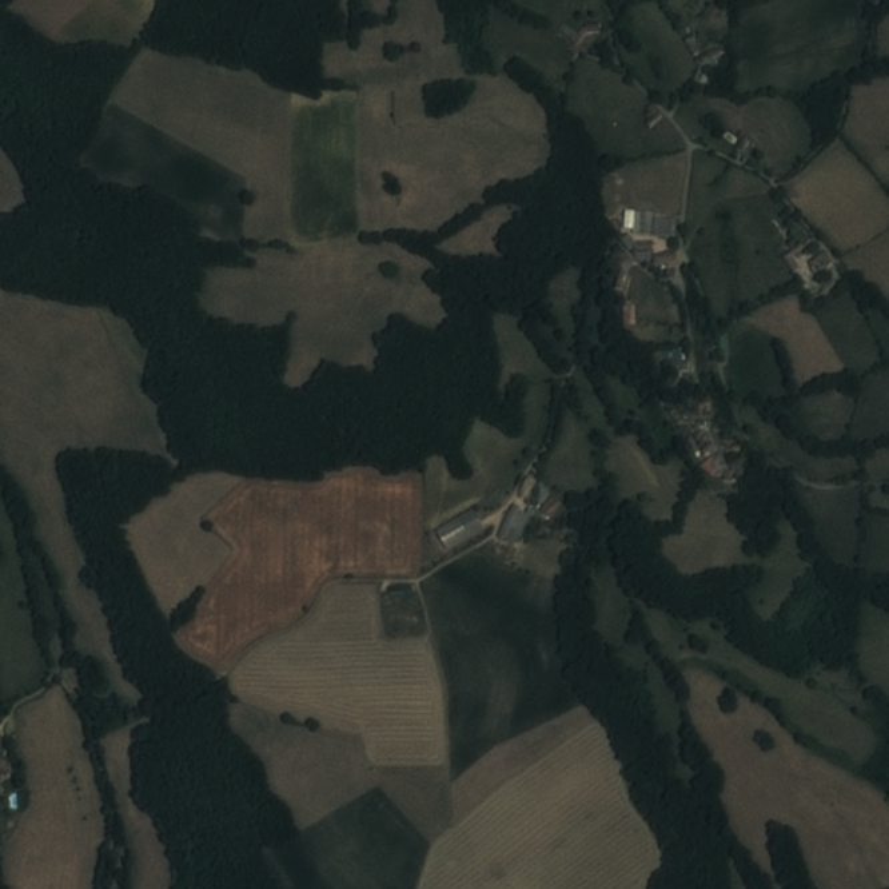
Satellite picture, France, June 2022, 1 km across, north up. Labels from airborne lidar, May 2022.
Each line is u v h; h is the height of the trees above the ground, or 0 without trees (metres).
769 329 0
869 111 0
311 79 11
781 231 0
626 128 0
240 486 0
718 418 7
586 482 0
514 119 0
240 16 11
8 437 0
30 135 18
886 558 0
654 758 26
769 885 20
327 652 0
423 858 0
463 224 17
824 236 13
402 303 0
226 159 0
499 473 0
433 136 0
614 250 10
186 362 15
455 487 0
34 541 17
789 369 13
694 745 26
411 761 0
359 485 0
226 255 18
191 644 0
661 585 17
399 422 14
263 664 0
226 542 0
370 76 0
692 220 0
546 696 0
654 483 0
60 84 15
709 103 0
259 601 0
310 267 0
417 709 0
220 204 0
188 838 7
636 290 0
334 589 0
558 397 13
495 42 0
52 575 15
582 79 0
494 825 0
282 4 17
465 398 19
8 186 0
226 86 0
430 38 0
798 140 0
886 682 0
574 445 0
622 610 0
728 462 7
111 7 0
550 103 16
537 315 18
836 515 0
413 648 0
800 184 0
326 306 0
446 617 0
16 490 20
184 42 9
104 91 12
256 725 0
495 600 0
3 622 0
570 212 21
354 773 0
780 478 18
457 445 17
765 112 0
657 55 0
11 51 13
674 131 0
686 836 23
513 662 0
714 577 19
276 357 16
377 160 0
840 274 7
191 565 0
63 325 0
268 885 15
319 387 15
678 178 0
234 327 12
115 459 14
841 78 18
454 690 0
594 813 0
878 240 0
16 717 0
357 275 0
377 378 13
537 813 0
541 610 0
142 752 24
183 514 0
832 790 0
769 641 15
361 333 0
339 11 17
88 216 22
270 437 17
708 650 15
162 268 20
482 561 0
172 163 0
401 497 0
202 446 18
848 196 0
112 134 0
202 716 21
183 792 18
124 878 27
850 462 0
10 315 0
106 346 0
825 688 0
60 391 0
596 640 24
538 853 0
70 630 20
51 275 19
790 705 0
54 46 14
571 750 0
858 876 0
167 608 0
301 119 0
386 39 0
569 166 15
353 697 0
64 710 0
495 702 0
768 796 0
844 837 0
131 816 0
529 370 0
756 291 0
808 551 23
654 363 12
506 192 17
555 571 0
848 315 0
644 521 16
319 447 19
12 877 0
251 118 0
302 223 0
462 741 0
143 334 18
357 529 0
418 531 0
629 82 11
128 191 13
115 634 16
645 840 0
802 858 20
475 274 23
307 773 0
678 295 10
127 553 16
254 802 11
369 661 0
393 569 0
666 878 14
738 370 0
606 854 0
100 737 13
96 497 9
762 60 0
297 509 0
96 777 7
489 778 0
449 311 14
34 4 0
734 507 19
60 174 20
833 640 18
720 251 0
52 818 0
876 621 0
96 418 0
